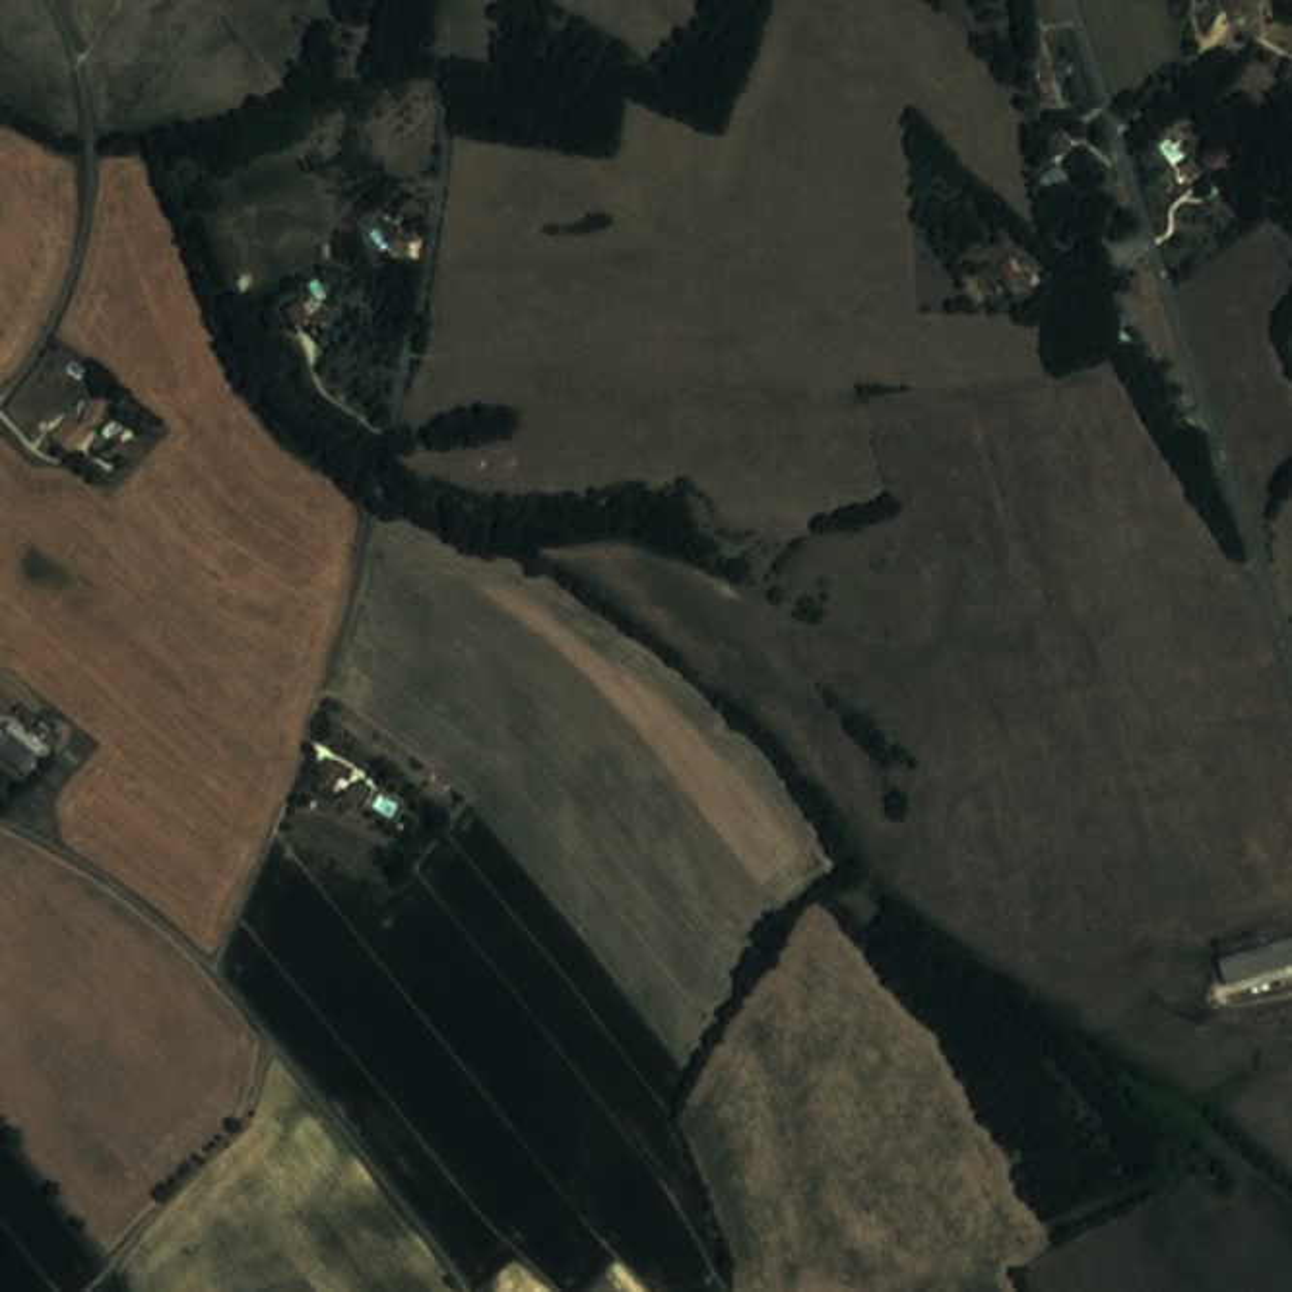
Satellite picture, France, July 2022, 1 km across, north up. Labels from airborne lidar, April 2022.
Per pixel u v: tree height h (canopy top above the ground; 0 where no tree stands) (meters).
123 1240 0
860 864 13
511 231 0
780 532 0
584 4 0
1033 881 0
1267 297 0
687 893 0
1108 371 0
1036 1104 16
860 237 0
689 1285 0
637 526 10
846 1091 0
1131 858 0
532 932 0
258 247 0
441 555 0
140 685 0
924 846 0
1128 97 12
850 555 0
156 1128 0
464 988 0
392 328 6
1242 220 8
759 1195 0
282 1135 0
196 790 0
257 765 0
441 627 0
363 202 6
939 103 0
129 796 0
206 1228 0
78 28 0
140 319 0
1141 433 0
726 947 0
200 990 0
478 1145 0
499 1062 0
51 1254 0
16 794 8
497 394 0
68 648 0
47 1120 0
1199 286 0
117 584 0
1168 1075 0
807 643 0
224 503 0
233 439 0
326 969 0
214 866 0
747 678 0
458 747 0
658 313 0
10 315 0
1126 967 0
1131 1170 12
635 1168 0
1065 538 0
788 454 0
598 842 0
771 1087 0
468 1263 0
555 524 14
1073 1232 11
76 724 0
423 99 0
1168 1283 0
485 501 8
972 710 0
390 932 0
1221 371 0
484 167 0
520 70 12
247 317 24
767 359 0
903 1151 0
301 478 0
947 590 0
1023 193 0
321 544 0
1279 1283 0
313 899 0
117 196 0
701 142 0
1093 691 0
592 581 0
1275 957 0
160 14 0
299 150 0
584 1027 0
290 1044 0
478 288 0
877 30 0
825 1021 0
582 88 12
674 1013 0
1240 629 0
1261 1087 0
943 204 9
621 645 0
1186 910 0
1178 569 0
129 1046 0
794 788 10
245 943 0
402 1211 0
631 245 0
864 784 0
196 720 0
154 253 0
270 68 0
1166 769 0
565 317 0
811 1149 0
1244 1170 0
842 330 0
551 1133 0
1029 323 11
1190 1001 0
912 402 0
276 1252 0
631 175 0
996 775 0
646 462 0
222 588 0
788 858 0
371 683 0
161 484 0
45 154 0
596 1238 0
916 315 0
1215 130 15
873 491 0
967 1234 0
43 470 0
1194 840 0
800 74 0
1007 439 0
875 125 0
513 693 0
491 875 0
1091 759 0
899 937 16
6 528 0
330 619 0
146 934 0
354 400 10
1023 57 13
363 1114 0
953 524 0
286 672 0
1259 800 0
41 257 0
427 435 14
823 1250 0
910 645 0
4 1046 0
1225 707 0
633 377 0
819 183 0
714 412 0
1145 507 0
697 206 0
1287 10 13
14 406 0
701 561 10
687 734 0
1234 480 0
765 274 0
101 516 0
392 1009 0
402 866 16
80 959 0
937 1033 9
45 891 0
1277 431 0
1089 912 0
